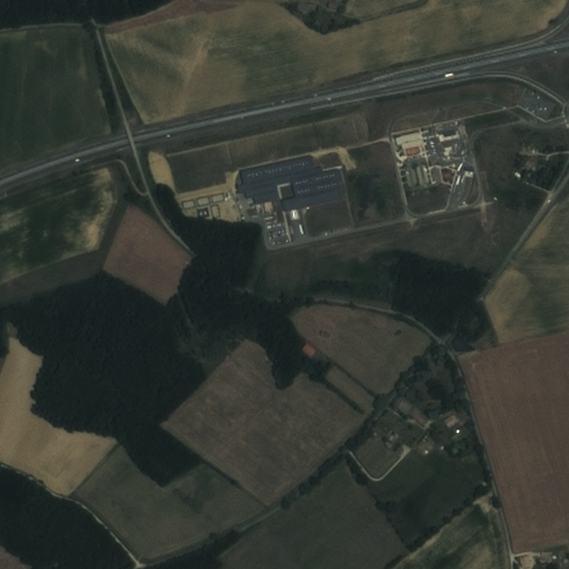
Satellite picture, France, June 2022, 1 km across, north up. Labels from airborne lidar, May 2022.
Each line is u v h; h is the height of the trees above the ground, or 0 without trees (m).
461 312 11
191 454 8
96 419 19
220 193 0
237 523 0
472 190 0
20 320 17
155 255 0
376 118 0
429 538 14
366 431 21
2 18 6
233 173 0
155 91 0
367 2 0
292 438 0
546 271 0
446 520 11
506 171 0
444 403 15
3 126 0
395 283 7
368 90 0
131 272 0
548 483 0
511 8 0
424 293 13
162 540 0
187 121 0
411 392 15
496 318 0
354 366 0
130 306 21
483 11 0
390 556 0
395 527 8
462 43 0
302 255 0
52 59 0
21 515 15
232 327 13
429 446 0
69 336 15
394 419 0
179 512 0
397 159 0
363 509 0
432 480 0
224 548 12
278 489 0
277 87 0
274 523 0
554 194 0
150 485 0
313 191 0
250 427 0
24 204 0
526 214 0
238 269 18
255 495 0
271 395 0
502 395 0
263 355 0
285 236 0
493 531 0
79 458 0
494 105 0
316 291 7
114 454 0
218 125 0
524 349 0
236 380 0
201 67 0
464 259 0
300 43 0
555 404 0
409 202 0
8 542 14
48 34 0
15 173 0
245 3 0
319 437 0
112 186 0
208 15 0
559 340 0
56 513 14
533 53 0
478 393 0
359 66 0
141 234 0
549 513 0
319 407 0
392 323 0
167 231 0
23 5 13
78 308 13
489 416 0
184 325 11
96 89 0
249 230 18
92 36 10
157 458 9
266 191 0
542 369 0
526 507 0
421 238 0
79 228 0
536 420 0
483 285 10
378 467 0
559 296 0
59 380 18
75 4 20
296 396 0
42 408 16
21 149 0
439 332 10
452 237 0
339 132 0
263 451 0
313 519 0
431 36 0
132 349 21
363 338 0
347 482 0
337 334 0
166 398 17
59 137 0
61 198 0
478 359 0
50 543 14
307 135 0
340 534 0
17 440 0
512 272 0
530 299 0
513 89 0
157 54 0
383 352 0
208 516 0
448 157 0
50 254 0
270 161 0
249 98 0
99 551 14
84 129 0
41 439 0
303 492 16
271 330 19
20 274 0
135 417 19
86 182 0
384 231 0
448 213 0
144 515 0
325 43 0
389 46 0
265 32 0
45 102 0
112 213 0
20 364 0
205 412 0
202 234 19
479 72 0
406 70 0
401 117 0
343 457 12
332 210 0
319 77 0
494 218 0
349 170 0
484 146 0
